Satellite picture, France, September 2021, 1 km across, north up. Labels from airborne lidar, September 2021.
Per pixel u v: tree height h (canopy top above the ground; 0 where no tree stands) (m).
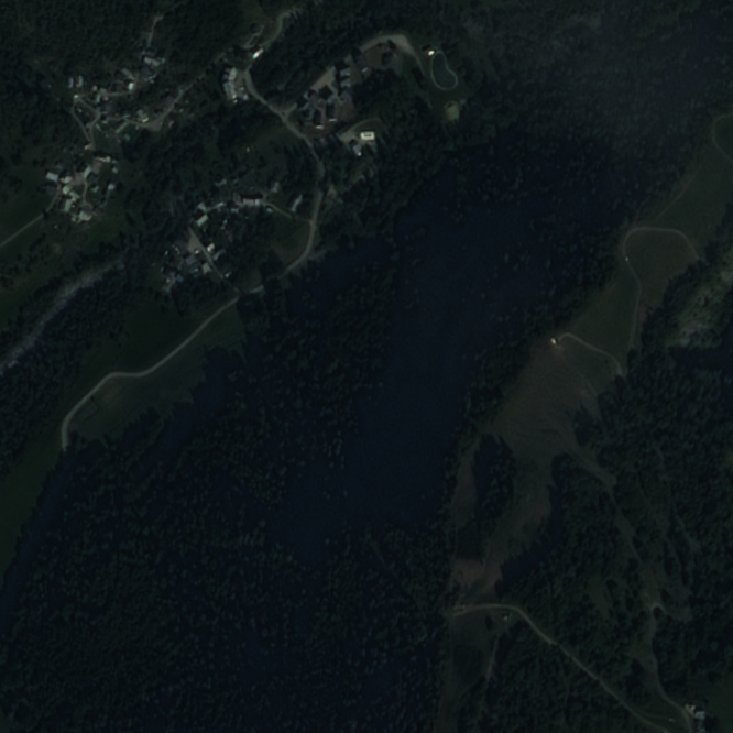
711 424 29
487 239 10
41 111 18
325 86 0
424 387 21
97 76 11
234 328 0
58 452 0
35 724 22
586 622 22
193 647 21
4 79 8
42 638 21
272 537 11
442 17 18
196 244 0
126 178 0
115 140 0
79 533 26
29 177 0
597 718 18
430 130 24
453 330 8
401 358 15
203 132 24
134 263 14
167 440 0
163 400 0
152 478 20
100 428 0
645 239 0
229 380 22
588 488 20
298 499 10
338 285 16
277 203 0
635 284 0
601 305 0
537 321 18
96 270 20
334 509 20
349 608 16
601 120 23
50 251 10
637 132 20
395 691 31
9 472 20
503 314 10
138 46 7
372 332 23
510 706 23
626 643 15
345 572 25
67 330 12
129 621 21
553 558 16
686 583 15
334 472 11
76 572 24
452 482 11
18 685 28
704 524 22
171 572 19
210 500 22
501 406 19
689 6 20
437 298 10
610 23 17
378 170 19
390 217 19
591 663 14
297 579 16
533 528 0
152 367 0
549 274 12
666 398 24
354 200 16
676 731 0
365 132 0
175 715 17
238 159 0
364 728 24
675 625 16
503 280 9
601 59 32
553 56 19
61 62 27
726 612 23
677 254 0
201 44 12
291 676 12
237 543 29
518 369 10
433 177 7
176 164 9
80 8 13
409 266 29
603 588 0
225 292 12
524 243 10
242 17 11
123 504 18
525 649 14
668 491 15
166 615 19
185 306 21
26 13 9
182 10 10
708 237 0
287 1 15
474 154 17
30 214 0
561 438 0
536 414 0
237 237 15
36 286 0
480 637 0
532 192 16
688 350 12
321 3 21
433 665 16
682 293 21
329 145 0
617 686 6
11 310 0
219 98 14
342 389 13
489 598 0
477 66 0
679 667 21
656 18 18
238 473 17
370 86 7
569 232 23
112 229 0
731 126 0
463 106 0
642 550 19
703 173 0
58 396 21
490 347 16
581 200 21
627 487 11
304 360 25
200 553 22
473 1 0
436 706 13
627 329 0
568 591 18
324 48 16
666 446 19
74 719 27
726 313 13
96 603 28
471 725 10
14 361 0
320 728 12
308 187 19
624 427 23
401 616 31
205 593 24
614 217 15
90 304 14
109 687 17
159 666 20
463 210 26
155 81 6
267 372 20
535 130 30
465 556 0
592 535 16
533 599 24
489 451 0
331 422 20
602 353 0
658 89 9
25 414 19
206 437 21
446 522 15
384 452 10
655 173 22
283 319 15
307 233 0
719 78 26
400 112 8
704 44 27
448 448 16
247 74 0
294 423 21
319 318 20
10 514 0
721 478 20
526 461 0
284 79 22
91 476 25
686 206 0
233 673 7
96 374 0
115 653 15
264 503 9
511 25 23
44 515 0
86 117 7
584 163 15
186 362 0
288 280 0
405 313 23
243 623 15
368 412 19
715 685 18
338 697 15
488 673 0
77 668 22
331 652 15
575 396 0
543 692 15
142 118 0
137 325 0
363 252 0
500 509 17
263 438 18
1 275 15
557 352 0
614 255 20
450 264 21
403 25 23
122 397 0
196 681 14
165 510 27
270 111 10
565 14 18
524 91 29
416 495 21
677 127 28
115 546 18
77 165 8
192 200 9
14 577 0
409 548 9
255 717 17
